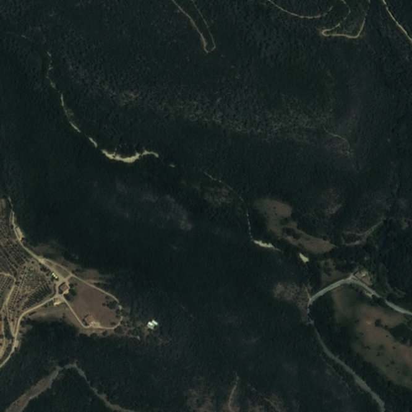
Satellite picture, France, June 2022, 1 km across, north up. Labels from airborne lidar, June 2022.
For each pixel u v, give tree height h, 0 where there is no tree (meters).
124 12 7
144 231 12
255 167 8
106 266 11
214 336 13
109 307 10
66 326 7
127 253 16
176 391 8
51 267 0
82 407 9
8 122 8
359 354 9
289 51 15
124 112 9
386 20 8
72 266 0
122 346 8
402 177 11
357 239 9
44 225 16
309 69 11
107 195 8
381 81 12
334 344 17
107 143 6
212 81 8
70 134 12
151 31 7
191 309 12
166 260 15
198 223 8
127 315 10
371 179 8
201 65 7
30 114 14
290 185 9
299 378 6
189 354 12
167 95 16
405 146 9
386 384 10
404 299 15
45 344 14
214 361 12
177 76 9
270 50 24
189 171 10
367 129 7
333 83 8
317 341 13
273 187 9
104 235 12
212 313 9
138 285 15
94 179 10
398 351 0
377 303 8
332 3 12
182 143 13
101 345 9
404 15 11
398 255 17
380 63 6
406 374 0
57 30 10
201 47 7
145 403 11
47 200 16
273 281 7
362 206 10
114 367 11
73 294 10
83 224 12
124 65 11
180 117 6
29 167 19
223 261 14
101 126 12
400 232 10
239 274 15
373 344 0
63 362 7
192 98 14
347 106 8
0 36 11
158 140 11
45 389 0
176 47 8
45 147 13
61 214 17
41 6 10
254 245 7
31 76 6
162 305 12
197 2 6
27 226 7
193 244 10
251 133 6
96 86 13
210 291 12
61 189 12
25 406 0
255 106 13
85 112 11
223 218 13
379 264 12
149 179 10
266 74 8
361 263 13
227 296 11
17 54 22
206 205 14
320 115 7
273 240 7
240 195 7
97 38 8
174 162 24
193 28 12
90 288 0
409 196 6
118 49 8
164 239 13
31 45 9
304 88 10
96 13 8
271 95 6
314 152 7
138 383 15
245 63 11
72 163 16
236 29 12
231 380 7
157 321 10
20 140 17
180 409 5
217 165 7
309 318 8
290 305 9
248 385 10
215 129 10
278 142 6
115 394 10
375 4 11
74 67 15
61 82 14
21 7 20
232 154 12
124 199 9
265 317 13
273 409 6
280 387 8
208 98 10
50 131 10
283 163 11
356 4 7
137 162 8
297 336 14
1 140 14
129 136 13
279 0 16
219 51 8
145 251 14
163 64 6
